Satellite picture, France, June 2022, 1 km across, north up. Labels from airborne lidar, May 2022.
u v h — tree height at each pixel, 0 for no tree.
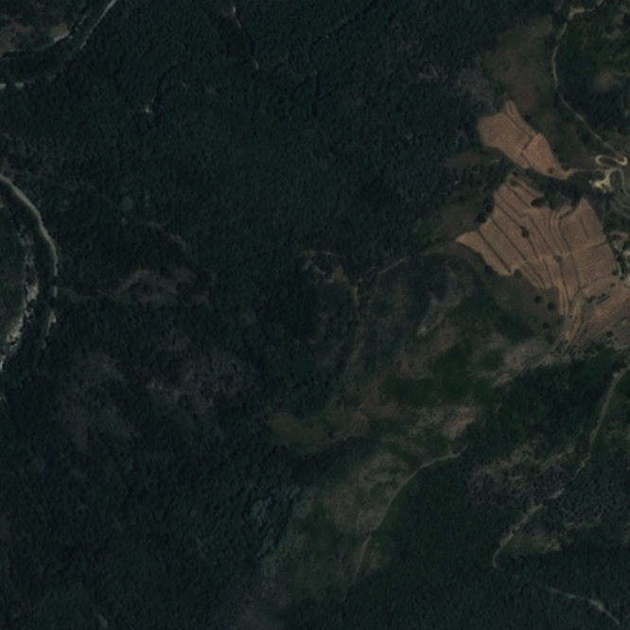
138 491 14
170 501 10
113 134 13
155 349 12
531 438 8
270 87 23
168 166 8
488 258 0
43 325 12
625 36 0
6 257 10
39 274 6
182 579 15
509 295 0
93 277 11
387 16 20
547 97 0
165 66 22
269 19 20
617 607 7
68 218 9
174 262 6
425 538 13
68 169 12
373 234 11
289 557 8
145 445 10
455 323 0
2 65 11
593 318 0
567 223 0
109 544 14
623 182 0
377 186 8
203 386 6
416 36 10
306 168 13
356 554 0
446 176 9
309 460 7
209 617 13
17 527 12
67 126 16
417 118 16
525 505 14
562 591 9
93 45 15
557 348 6
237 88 24
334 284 0
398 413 0
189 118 15
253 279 12
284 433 0
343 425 0
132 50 20
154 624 13
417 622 14
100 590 13
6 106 13
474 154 0
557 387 14
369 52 15
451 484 11
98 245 22
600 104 7
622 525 8
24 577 15
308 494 11
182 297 13
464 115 8
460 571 13
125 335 17
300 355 14
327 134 19
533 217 0
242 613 10
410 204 11
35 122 12
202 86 27
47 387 19
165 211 14
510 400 12
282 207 11
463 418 0
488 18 9
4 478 13
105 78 14
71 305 14
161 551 13
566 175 0
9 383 7
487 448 10
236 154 15
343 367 9
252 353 21
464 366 0
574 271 0
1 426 18
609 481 18
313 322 16
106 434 18
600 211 0
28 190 8
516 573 15
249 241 15
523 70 0
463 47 9
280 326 19
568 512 24
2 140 11
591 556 13
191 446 15
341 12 19
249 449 11
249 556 14
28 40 12
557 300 0
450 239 0
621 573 11
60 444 14
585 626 6
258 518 26
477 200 0
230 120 12
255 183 18
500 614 11
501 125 0
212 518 14
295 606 8
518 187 0
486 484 13
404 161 17
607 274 0
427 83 6
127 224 6
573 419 6
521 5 7
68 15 9
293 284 14
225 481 11
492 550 7
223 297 11
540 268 0
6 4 17
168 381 9
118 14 10
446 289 0
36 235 9
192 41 21
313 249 11
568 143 0
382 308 0
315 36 13
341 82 17
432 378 0
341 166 17
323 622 21
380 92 21
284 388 16
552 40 10
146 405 18
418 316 0
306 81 11
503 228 0
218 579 7
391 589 14
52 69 20
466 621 12
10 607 12
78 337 11
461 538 13
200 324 9
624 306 0
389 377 0
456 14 12
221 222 10
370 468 0
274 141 25
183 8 20
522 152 0
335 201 7
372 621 15
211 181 21
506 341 0
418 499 9
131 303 9
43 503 20
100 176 13
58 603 10
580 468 9
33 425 22
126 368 13
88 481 9
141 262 9
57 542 17
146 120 20
